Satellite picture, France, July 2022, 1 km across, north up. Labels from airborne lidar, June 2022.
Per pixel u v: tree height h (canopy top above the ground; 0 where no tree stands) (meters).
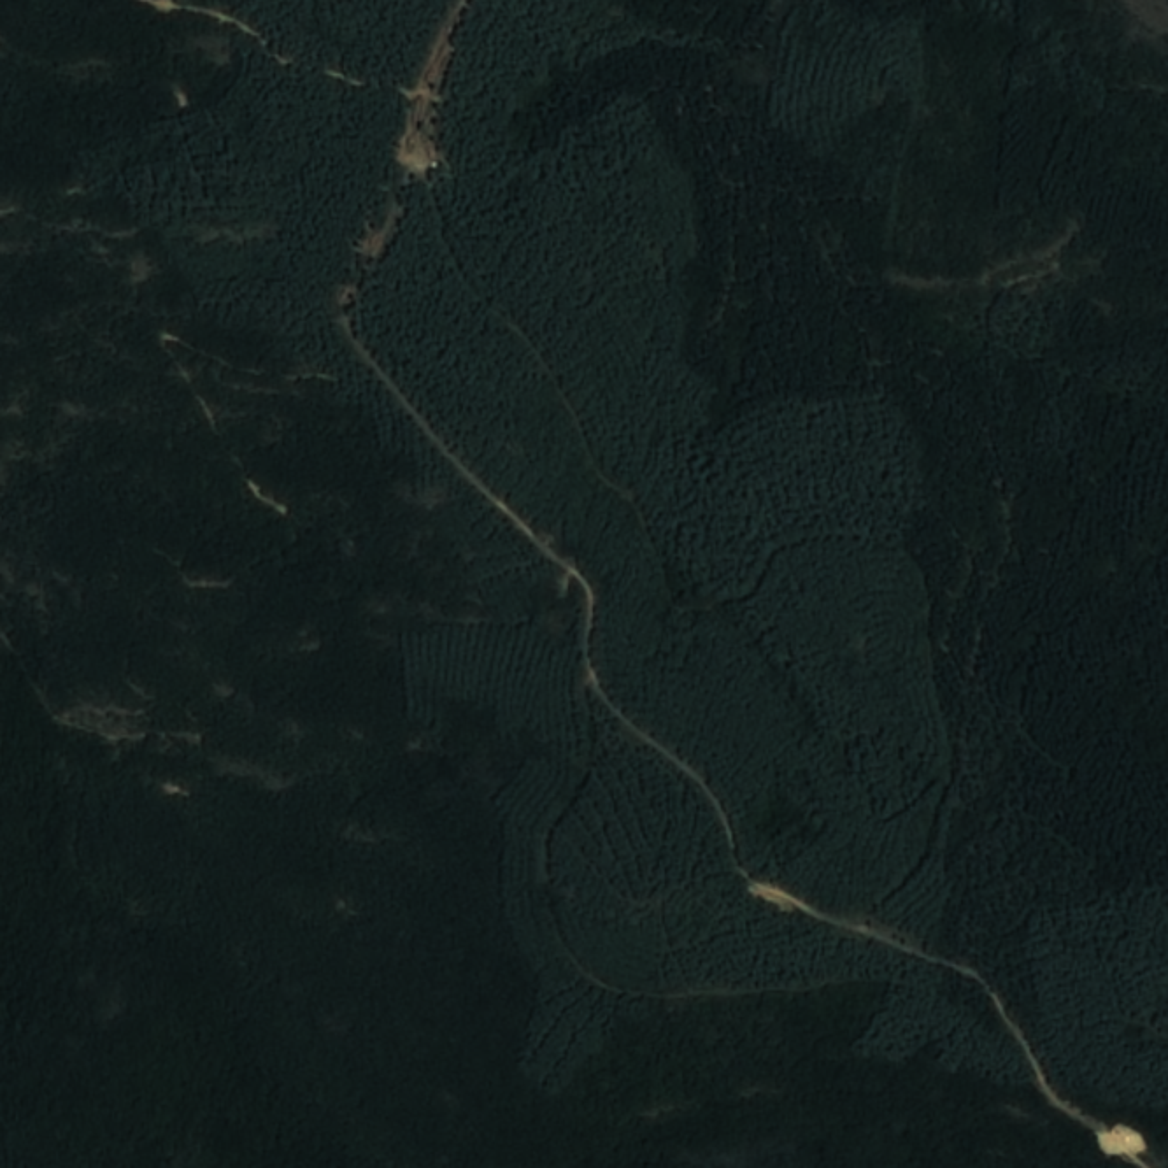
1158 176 10
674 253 15
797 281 15
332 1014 9
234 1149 7
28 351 8
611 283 10
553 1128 10
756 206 16
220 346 8
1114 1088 14
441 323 19
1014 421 13
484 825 8
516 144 8
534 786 12
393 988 6
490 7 16
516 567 10
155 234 7
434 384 14
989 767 13
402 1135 9
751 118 7
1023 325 10
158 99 10
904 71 13
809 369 11
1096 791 17
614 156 17
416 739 6
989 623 16
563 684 9
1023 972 13
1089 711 19
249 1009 9
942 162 6
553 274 11
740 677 17
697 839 13
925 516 12
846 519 16
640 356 9
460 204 17
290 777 7
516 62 19
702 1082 8
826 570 13
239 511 12
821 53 6
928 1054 9
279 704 7
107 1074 12
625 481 14
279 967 9
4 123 8
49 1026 10
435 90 16
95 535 10
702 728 14
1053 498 17
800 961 12
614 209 12
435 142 16
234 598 7
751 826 10
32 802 13
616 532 12
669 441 12
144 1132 15
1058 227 8
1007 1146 8
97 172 12
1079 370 15
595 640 11
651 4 14
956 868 14
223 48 6
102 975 9
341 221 16
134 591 10
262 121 13
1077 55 8
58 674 7
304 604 10
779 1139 6
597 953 10
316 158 15
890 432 15
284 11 13
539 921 12
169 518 9
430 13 17
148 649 7
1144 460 17
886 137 7
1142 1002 14
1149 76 7
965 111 6
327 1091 9
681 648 17
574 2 11
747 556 17
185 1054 11
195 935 9
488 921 6
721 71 8
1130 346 12
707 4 22
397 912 6
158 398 7
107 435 9
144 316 7
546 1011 10
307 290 14
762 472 12
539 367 12
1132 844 22
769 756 16
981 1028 13
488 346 12
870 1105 12
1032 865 13
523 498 9
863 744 16
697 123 15
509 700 12
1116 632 12
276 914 8
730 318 10
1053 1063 12
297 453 6
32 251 5
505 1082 8
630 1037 12
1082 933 15
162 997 11
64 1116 8
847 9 8
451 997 6
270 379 8
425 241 16
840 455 14
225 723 11
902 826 15
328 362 12
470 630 8
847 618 12
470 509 9
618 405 12
